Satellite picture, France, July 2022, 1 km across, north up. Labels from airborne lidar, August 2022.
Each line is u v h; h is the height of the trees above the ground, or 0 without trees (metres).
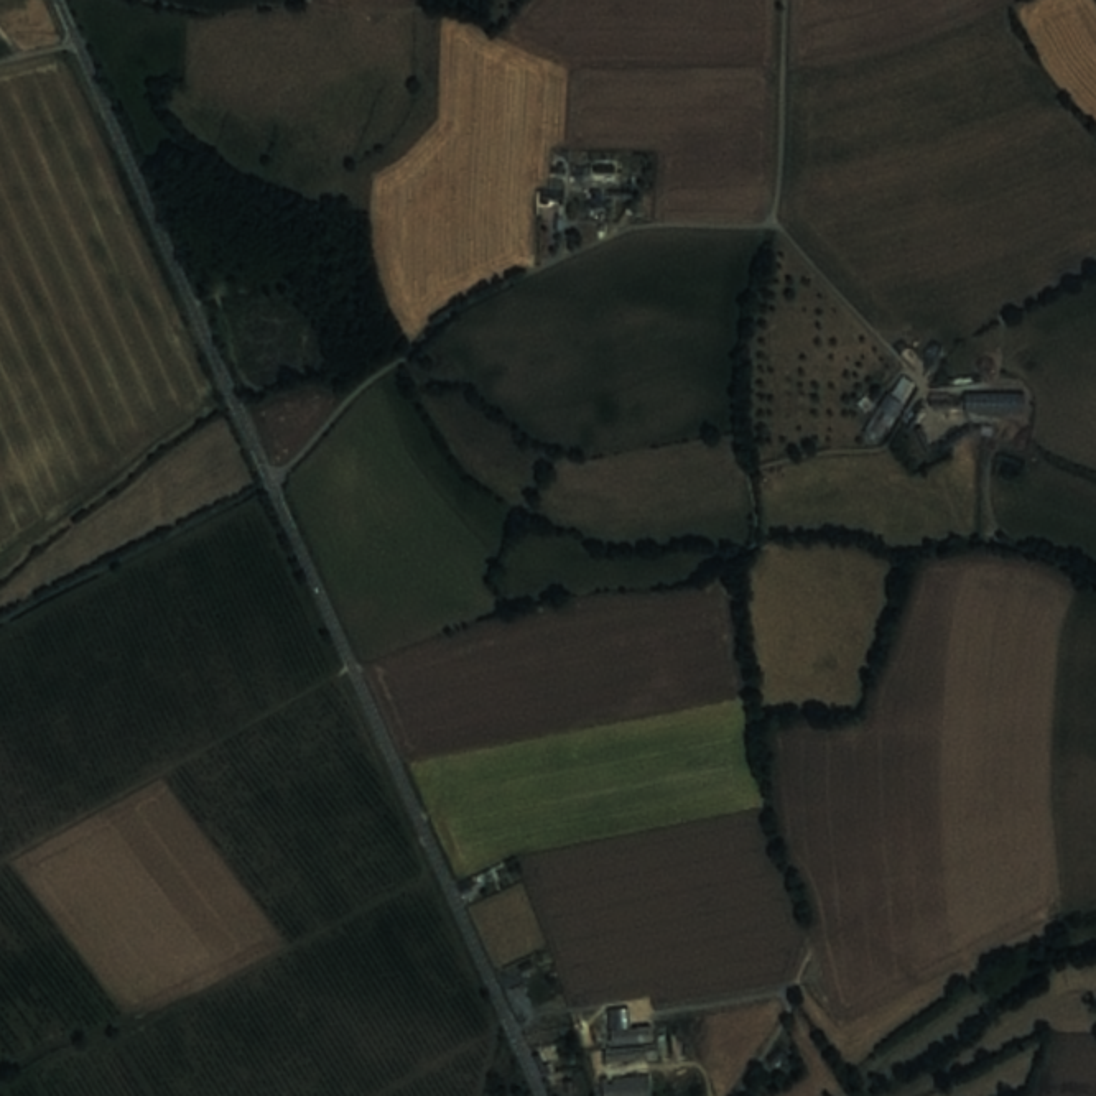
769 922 0
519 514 13
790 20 0
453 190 0
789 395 0
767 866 0
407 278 0
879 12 0
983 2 0
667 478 0
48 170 0
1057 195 0
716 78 0
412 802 0
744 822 0
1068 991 0
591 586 0
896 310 0
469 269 0
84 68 0
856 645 0
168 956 0
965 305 0
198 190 22
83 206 0
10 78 0
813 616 0
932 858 0
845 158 0
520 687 0
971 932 0
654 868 0
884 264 0
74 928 0
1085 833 0
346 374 18
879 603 0
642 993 0
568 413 0
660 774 0
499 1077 6
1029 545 11
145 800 0
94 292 0
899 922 0
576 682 0
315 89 0
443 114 0
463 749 0
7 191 0
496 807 0
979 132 0
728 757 0
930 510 0
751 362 17
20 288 0
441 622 0
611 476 0
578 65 0
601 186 0
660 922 0
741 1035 0
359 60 0
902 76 0
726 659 0
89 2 0
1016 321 14
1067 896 0
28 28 0
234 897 0
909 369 0
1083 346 0
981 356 0
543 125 0
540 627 0
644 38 0
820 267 0
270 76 0
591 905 0
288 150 0
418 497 0
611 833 0
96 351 0
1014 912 0
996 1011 18
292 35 0
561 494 0
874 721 0
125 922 0
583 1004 0
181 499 0
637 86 0
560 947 0
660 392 0
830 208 0
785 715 17
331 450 0
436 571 0
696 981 0
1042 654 0
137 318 0
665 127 0
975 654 0
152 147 0
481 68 0
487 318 0
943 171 0
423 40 0
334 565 0
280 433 0
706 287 0
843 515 0
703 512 0
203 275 5
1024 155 0
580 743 0
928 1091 0
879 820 0
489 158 0
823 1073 0
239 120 0
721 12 0
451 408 0
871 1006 0
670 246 0
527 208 0
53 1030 0
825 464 0
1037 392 0
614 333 0
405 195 0
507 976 0
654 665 0
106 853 0
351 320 13
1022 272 0
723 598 0
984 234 0
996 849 0
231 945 0
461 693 0
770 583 0
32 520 0
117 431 0
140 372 0
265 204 24
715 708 0
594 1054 0
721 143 0
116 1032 12
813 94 0
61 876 0
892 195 0
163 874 0
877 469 0
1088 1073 0
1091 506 0
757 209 0
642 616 0
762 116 0
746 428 13
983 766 0
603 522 0
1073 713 0
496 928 0
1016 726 0
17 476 0
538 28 0
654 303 0
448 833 0
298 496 0
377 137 0
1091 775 0
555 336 0
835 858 0
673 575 0
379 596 0
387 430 0
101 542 0
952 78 0
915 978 0
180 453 0
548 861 0
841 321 0
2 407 0
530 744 0
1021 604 0
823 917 0
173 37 0
